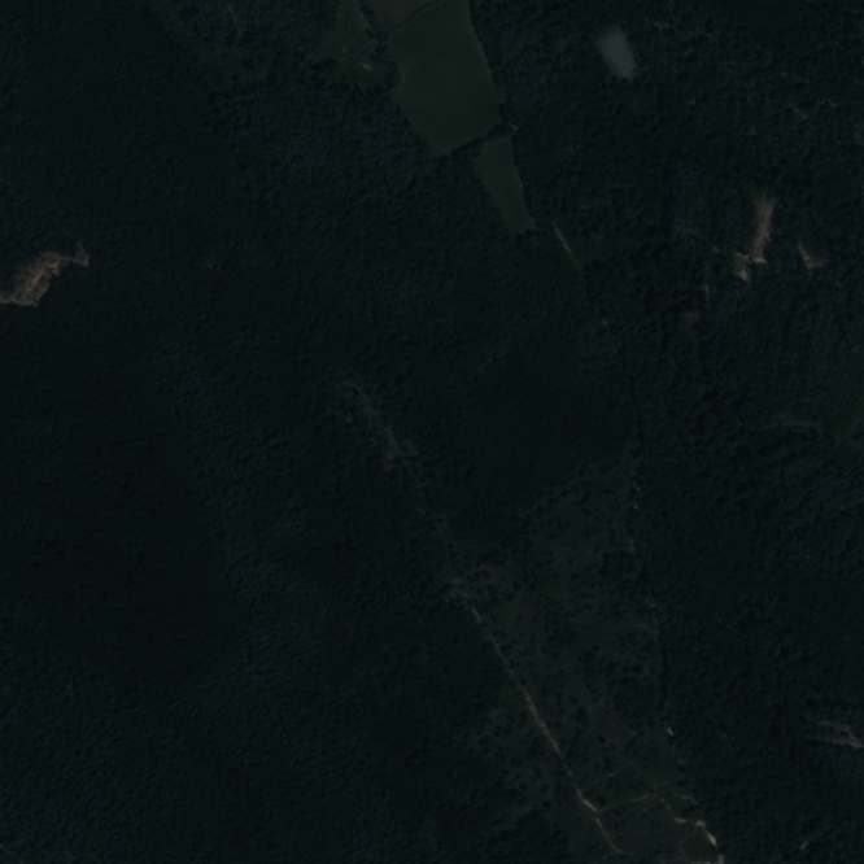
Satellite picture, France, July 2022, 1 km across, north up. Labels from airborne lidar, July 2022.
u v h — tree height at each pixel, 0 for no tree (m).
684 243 32
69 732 19
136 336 14
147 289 13
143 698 18
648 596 15
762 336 15
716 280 9
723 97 13
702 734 16
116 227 17
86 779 17
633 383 21
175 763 15
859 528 25
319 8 19
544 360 13
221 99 22
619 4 17
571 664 0
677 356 31
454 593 8
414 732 7
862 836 22
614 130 16
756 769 24
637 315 24
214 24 14
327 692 15
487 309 16
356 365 21
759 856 23
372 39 19
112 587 19
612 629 0
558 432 11
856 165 13
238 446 24
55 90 19
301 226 24
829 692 12
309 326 13
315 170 25
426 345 21
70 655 16
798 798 25
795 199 18
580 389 13
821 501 25
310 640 16
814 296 24
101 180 13
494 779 8
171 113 15
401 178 25
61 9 15
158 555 19
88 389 19
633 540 17
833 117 18
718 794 21
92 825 22
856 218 21
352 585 17
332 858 19
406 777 12
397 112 25
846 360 7
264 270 14
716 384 21
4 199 17
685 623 26
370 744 12
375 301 23
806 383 11
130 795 19
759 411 17
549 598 7
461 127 0
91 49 16
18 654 17
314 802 13
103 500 18
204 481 20
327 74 27
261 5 21
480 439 11
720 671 24
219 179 14
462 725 14
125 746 14
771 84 13
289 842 14
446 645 17
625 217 21
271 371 14
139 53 15
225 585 16
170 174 16
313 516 20
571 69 25
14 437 18
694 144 13
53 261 0
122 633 18
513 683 14
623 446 11
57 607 18
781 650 7
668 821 0
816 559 26
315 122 18
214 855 16
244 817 17
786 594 17
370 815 24
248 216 17
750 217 27
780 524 17
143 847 19
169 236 14
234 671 12
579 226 20
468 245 21
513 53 23
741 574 28
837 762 25
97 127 16
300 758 17
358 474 24
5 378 17
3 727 14
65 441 18
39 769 15
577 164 16
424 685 8
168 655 18
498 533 7
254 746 15
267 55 9
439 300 16
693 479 30
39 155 13
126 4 16
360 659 19
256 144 26
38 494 18
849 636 16
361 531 26
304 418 21
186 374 20
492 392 12
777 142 13
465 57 0
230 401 16
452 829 20
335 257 18
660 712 16
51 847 24
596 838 0
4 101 13
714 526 32
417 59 0
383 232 22
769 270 10
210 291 11
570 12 27
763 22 14
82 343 20
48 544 21
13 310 14
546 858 17
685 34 18
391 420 20
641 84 16
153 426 19
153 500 18
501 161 0
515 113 17
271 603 14
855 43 21
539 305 20
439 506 20
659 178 10
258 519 15
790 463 27
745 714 22
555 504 19
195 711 14
